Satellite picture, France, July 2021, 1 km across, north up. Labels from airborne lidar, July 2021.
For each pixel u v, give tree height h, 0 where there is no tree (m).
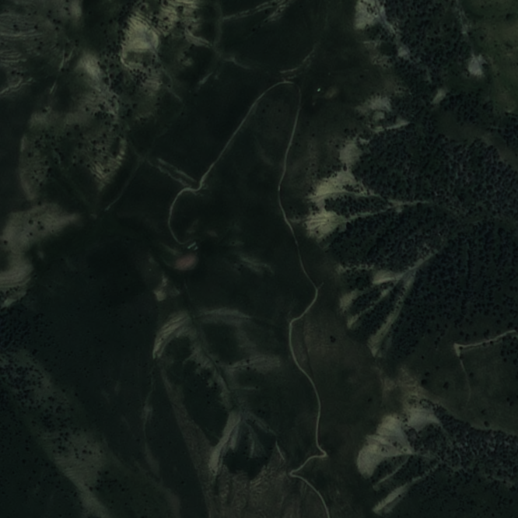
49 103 0
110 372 0
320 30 0
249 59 0
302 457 0
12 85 0
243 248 0
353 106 0
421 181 9
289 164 0
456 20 7
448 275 12
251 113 0
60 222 0
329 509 0
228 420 0
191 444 0
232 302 0
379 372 0
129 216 0
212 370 0
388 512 0
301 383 0
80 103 0
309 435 0
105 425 0
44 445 0
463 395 0
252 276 0
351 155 0
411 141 11
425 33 11
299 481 0
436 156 7
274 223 0
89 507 0
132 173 0
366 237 8
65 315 0
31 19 0
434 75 8
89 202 0
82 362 0
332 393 0
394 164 17
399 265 5
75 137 0
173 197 0
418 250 14
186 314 0
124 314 0
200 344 0
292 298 0
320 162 0
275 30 0
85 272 0
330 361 0
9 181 0
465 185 10
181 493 0
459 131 0
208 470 0
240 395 0
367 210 7
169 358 0
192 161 0
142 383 0
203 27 0
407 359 0
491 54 0
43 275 0
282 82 0
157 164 0
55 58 0
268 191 0
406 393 0
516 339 10
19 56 0
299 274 0
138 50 0
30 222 6
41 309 0
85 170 0
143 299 0
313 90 0
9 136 0
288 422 0
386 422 0
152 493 0
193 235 0
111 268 0
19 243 0
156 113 0
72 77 0
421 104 8
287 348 0
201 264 0
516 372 0
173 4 0
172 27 0
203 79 0
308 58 0
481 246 6
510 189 10
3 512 0
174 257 0
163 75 0
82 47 0
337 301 0
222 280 0
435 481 8
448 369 0
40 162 0
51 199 0
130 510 0
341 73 0
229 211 0
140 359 0
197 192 0
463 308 9
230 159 0
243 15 0
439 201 7
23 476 0
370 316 10
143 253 0
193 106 0
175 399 0
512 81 0
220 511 0
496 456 20
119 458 0
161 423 0
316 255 0
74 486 0
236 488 0
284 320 0
